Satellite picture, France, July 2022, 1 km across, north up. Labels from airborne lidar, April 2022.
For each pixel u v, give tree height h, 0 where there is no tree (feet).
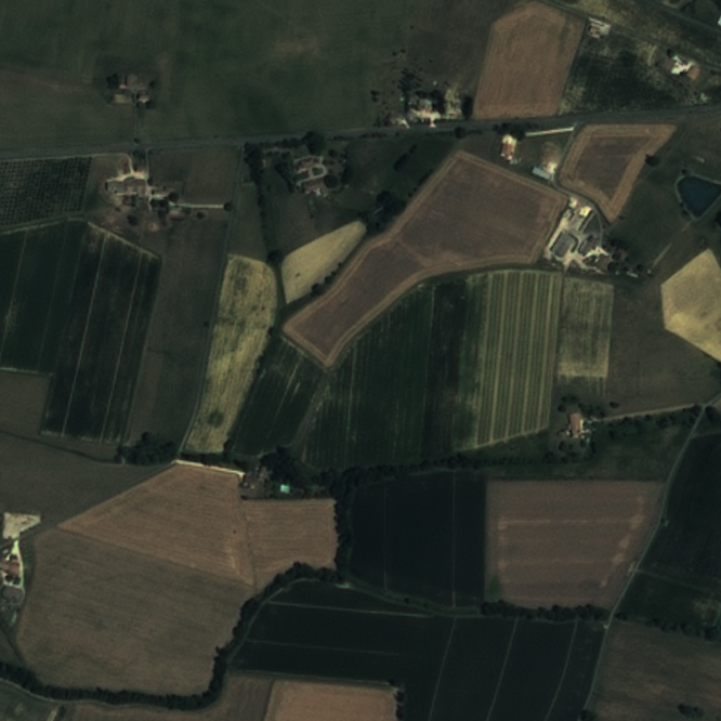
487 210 0
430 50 0
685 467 0
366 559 0
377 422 0
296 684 0
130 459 30
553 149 0
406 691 0
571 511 0
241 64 0
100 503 0
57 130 0
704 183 0
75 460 0
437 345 0
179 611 0
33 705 0
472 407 0
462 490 0
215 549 0
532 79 0
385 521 0
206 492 0
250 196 0
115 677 0
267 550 0
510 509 0
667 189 0
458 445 0
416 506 0
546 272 0
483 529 0
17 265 0
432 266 0
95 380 0
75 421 0
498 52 0
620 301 0
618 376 0
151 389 0
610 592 0
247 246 0
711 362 0
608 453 0
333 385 0
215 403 0
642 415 0
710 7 0
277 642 0
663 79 0
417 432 0
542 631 0
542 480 0
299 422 0
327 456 0
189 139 0
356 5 0
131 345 0
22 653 0
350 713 0
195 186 0
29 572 0
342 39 0
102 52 0
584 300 0
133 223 44
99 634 0
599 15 0
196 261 0
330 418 0
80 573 0
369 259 0
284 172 49
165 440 0
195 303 0
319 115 0
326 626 0
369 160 0
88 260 0
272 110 0
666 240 0
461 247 0
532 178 0
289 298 0
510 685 0
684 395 0
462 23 0
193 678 0
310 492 25
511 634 0
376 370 0
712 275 0
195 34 0
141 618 0
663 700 0
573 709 0
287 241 0
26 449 0
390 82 0
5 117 0
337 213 0
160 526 0
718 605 0
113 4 0
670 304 0
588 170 0
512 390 0
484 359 0
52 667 0
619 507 0
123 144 0
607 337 0
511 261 0
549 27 0
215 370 0
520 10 0
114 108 0
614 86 0
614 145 0
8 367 0
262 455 0
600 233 0
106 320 0
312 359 0
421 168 0
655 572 0
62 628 0
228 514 0
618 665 0
